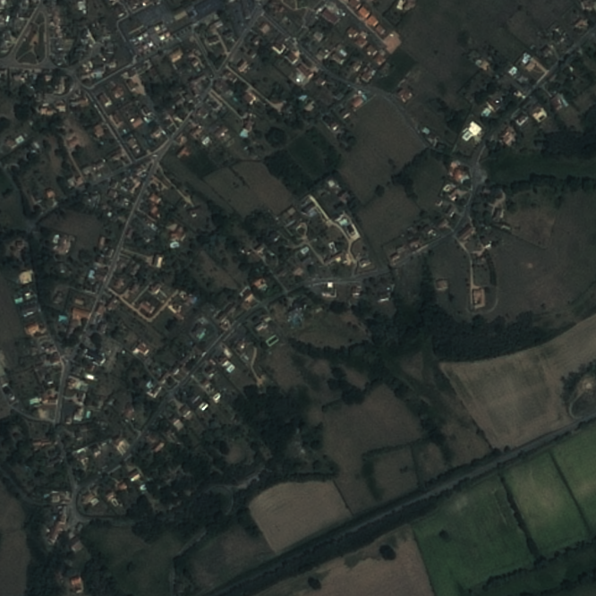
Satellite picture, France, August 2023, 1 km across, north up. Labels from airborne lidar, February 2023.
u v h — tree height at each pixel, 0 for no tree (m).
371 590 0
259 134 12
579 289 0
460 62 0
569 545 0
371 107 0
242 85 6
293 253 10
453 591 0
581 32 9
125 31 0
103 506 0
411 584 0
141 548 0
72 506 0
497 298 0
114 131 0
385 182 0
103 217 6
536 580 0
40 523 10
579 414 0
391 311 0
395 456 0
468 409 0
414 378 0
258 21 0
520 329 12
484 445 0
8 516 0
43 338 0
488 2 0
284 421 22
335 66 11
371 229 0
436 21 0
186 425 10
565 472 0
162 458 12
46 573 10
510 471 0
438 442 16
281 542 0
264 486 18
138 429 7
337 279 0
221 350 0
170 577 0
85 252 10
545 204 0
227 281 0
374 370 11
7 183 0
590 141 14
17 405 0
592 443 0
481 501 0
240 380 0
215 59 12
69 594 15
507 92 7
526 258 0
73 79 10
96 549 7
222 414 0
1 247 17
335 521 0
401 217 0
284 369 0
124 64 0
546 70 0
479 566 0
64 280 8
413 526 0
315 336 0
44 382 8
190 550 8
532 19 0
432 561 0
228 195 0
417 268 0
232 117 0
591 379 0
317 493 0
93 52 0
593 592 0
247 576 0
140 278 9
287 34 0
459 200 7
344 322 0
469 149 0
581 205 0
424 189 0
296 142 0
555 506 0
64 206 15
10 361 0
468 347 9
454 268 0
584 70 9
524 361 0
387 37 0
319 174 0
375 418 0
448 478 12
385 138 0
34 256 15
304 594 0
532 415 0
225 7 7
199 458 11
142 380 7
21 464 11
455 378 0
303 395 0
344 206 16
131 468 0
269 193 0
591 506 0
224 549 0
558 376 0
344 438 0
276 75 0
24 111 20
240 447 0
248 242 0
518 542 0
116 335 12
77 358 5
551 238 0
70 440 9
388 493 0
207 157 0
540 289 0
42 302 11
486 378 0
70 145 0
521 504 0
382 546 0
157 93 13
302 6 0
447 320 16
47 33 0
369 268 0
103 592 20
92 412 0
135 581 0
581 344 0
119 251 0
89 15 0
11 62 0
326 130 0
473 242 0
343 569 0
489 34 0
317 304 7
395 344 18
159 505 0
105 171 0
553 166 0
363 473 0
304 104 15
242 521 17
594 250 0
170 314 0
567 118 0
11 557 0
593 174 0
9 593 0
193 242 6
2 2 0
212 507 11
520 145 13
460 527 0
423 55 0
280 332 0
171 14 0
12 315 0
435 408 0
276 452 14
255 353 0
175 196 0
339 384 10
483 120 10
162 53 7
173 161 0
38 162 18
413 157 0
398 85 0
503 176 0
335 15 0
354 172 0
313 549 0
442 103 8
